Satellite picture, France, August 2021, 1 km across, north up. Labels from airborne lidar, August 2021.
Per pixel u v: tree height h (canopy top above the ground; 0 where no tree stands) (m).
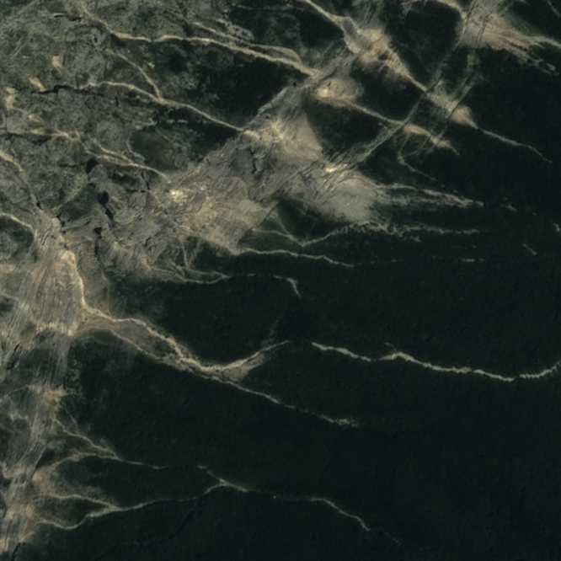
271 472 17
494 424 16
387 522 15
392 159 10
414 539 21
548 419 20
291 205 6
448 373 12
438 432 18
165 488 11
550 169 12
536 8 9
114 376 7
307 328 30
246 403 24
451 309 11
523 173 24
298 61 0
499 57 20
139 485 13
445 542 19
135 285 8
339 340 18
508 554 24
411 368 15
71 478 6
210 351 9
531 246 12
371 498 22
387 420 9
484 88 12
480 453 17
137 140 0
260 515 31
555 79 17
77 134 0
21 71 0
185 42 12
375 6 6
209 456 12
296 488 25
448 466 24
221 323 21
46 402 0
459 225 15
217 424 20
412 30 8
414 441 20
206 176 0
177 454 22
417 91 8
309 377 8
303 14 11
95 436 8
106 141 0
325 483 25
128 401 18
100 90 0
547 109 18
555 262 20
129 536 9
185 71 9
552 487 27
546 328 9
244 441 21
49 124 0
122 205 0
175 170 0
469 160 11
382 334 9
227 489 12
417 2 6
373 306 10
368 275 8
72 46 0
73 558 13
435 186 10
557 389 14
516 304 16
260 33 7
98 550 16
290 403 11
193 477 16
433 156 13
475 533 32
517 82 17
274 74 8
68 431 0
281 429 25
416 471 23
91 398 10
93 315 0
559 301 18
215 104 9
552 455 27
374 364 8
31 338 0
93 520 7
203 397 20
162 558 29
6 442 13
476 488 19
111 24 0
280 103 0
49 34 0
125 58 0
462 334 17
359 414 9
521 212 18
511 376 13
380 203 0
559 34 7
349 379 9
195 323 16
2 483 8
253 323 14
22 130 0
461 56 14
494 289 13
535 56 13
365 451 23
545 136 17
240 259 9
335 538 29
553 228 19
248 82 22
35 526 0
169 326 8
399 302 7
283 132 0
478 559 19
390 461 19
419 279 10
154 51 5
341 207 0
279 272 11
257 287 21
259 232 0
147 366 9
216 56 7
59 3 0
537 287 16
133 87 0
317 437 21
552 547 21
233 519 27
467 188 19
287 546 30
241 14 7
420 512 23
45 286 0
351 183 0
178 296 7
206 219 0
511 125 14
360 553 32
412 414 14
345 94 0
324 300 8
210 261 6
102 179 0
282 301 15
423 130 0
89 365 8
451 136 9
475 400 21
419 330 12
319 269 6
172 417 16
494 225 21
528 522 21
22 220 0
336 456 22
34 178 0
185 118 13
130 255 0
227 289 12
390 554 27
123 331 0
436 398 15
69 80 0
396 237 12
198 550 22
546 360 10
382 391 8
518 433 17
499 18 0
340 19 0
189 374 15
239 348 17
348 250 7
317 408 8
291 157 0
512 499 23
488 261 12
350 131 8
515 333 11
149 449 8
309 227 9
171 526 20
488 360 10
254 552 31
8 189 0
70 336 0
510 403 17
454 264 13
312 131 0
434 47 8
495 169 15
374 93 8
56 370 12
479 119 7
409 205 11
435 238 7
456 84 7
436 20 11
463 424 15
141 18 11
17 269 0
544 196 21
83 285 0
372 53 0
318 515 31
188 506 19
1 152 0
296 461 20
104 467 10
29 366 7
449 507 30
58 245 0
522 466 15
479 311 16
